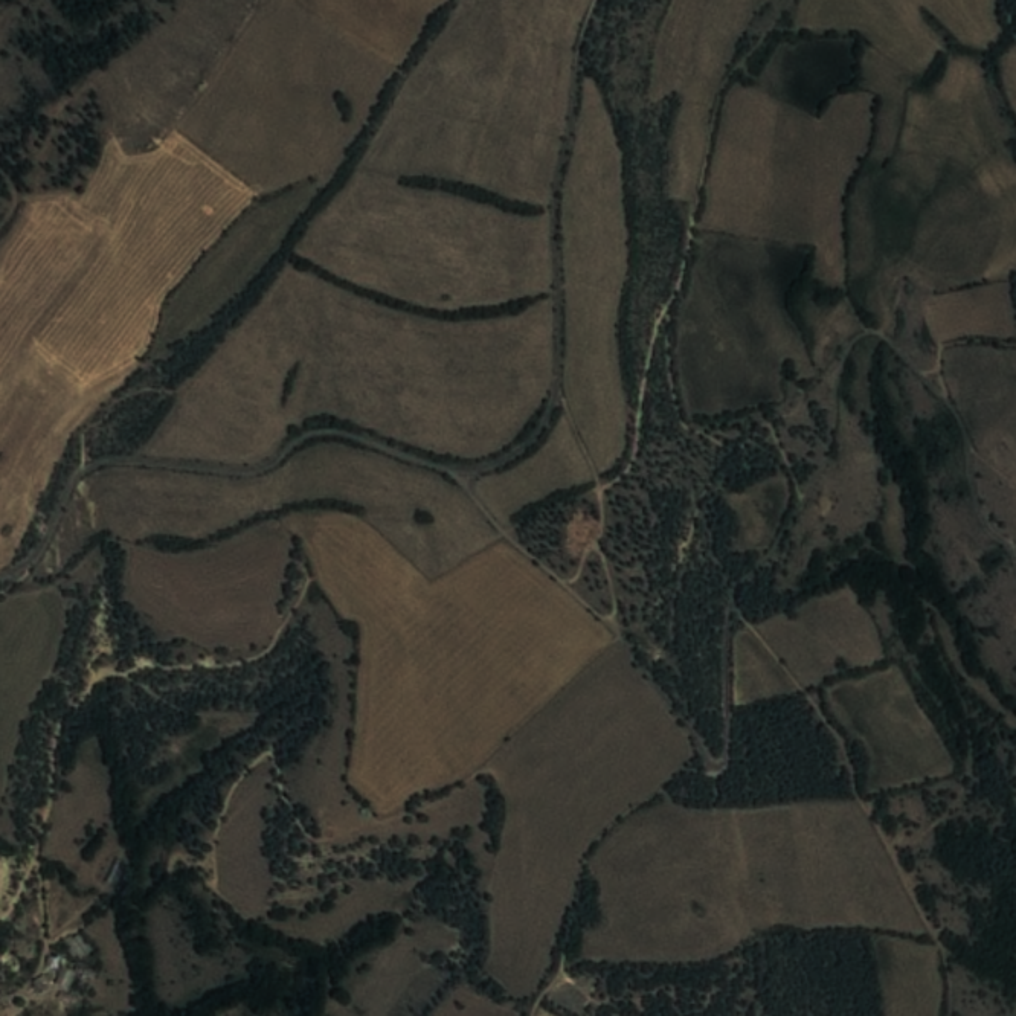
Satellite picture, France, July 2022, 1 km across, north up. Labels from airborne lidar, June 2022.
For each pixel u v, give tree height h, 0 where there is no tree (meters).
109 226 0
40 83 0
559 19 0
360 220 0
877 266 0
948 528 0
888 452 17
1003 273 0
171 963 0
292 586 10
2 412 0
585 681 0
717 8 0
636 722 0
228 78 0
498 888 0
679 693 6
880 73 0
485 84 0
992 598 0
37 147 9
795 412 0
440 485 0
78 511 0
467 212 0
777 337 0
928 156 0
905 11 0
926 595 14
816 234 0
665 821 0
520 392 0
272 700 13
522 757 0
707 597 9
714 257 0
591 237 0
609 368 0
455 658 0
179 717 10
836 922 0
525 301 6
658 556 8
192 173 0
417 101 0
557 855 0
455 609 0
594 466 0
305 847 11
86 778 0
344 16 0
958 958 8
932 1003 0
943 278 0
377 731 0
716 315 0
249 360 0
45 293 0
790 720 10
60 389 0
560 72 0
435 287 0
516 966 0
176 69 0
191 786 16
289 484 0
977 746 7
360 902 0
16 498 0
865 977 9
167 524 0
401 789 0
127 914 25
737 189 0
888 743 0
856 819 0
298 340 0
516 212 7
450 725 0
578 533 0
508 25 0
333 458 0
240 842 0
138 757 9
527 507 6
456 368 0
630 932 0
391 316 0
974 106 0
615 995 7
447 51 0
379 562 0
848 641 0
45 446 0
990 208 0
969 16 0
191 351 8
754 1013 9
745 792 7
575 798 0
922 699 11
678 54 0
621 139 6
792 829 0
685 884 0
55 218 0
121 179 0
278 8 0
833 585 10
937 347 0
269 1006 20
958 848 13
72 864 0
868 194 0
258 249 0
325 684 11
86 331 0
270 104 0
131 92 0
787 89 0
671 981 8
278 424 0
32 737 6
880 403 10
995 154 0
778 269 0
